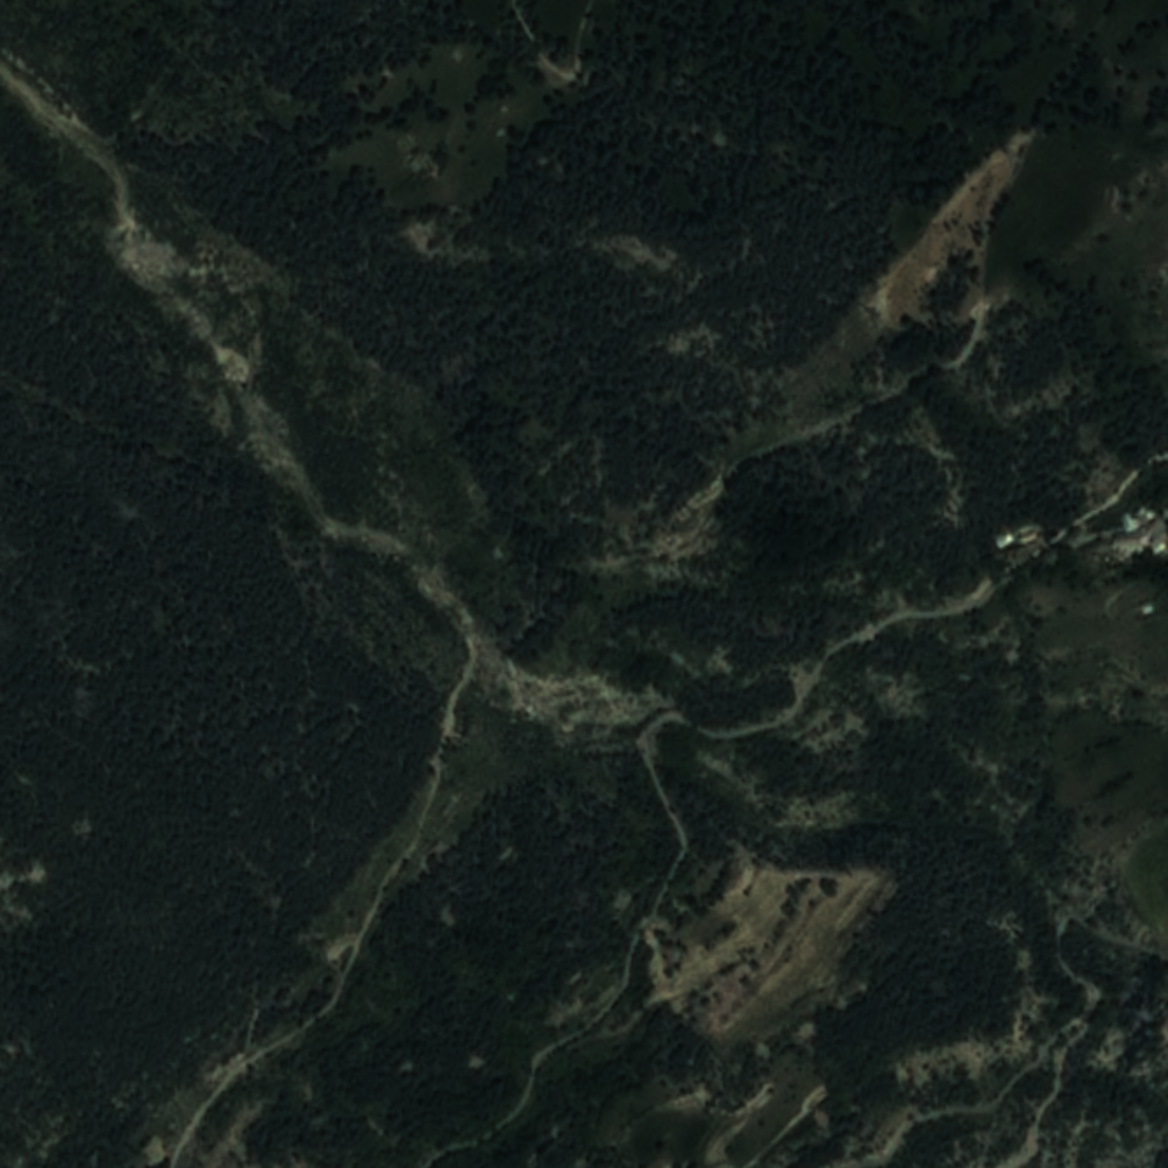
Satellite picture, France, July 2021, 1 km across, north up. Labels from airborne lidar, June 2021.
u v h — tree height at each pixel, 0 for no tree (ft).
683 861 21
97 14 23
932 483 34
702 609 49
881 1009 32
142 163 30
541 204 31
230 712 44
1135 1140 22
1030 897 36
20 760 49
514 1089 21
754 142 38
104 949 34
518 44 31
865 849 33
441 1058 19
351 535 0
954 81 38
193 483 39
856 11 55
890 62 57
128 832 28
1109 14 31
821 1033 23
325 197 42
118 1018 27
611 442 39
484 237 18
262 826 33
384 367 24
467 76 0
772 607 24
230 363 0
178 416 41
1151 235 0
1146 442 38
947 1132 19
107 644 33
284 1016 31
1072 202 0
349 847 26
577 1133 32
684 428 43
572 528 26
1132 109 0
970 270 30
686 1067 25
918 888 26
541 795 51
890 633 21
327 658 46
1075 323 31
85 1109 24
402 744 32
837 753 19
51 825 30
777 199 35
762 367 32
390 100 0
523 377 22
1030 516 40
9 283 40
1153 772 0
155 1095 25
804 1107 0
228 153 47
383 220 27
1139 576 30
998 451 37
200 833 39
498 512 30
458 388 39
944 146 55
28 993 42
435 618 20
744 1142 0
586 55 29
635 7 61
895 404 34
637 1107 0
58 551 47
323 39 22
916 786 33
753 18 46
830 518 38
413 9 22
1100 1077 39
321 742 47
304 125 54
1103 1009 34
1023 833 23
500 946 26
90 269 25
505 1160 64
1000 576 34
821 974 0
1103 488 0
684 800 36
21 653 47
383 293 35
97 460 29
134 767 32
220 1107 26
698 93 33
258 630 40
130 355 44
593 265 37
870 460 27
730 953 0
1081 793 0
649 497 20
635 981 34
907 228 0
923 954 35
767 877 0
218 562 37
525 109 0
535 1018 28
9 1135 20
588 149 54
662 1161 0
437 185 0
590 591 24
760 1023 0
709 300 42
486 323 45
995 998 26
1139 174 0
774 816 37
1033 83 0
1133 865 0
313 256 32
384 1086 28
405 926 28
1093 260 0
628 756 27
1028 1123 25
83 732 36
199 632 33
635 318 19
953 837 21
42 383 27
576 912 37
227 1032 22
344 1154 27
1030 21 37
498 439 42
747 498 81
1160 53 0
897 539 28
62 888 36
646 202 64
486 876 30
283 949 44
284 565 41
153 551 43
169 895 36
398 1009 20
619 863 20
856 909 0
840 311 43
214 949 27
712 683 30
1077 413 33
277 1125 35
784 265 34
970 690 20
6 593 36
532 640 36
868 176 59
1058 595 0
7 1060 22
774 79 71
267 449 0
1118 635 0
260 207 58
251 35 43
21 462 33
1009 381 29
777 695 20
